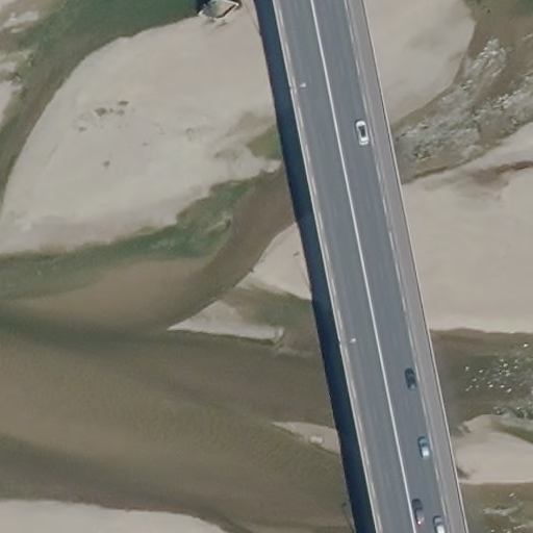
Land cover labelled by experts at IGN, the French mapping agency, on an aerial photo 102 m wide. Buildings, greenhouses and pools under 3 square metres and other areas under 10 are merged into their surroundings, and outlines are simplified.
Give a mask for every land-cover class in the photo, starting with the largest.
<instances>
[{"label":"water","instance_id":"1","mask_svg":"<svg viewBox=\"0 0 533 533\"><path fill-rule=\"evenodd\" d=\"M212 0H0V81H10L15 92L8 106L4 108V119L0 125V208L15 162L23 152V146L27 144V137L31 135L35 123L40 121L42 112L54 98V94L65 85L71 73L81 65V60H85L92 52L104 48L115 40L133 37L146 29L179 23L202 12V8L208 6ZM464 4L471 8L475 31L466 48V54L460 60L456 77L452 79L450 87L437 94L427 106L398 121L394 125L396 152L400 156L402 177L408 181L443 173L458 164L481 158L489 150L502 146L506 137L514 135L521 127L533 123V0H464ZM248 150L254 156L283 160V167L273 173H260L252 179H229L210 185V194L185 206L177 214L175 225L162 229L146 225L133 237L117 239L110 244H85L75 248L73 252H67L65 248H44L42 252L0 254V502L54 500L67 504H90L110 510L171 512L206 521L210 525L221 527L227 533H375L331 302L323 304L321 289L314 291L308 300L287 291L267 289L260 285H256L254 289H242L237 285L262 260L267 248L271 246L277 233L296 225L298 214L312 210L306 169L300 150V135L291 104L285 106V115H279L277 123L271 129L248 142ZM214 302L235 306L237 314L248 325L281 327L283 335L277 339H256L225 333L171 331V325L196 316L200 310ZM277 421L335 427L341 448L337 452H331L319 443L304 441L300 435L291 431L277 429ZM433 341L439 360L452 435L468 433L466 421L485 414L491 421L493 431L533 443V333H487L462 327H439L433 331ZM471 533H533V483L464 481V491Z\"/></svg>","mask_w":533,"mask_h":533},{"label":"bare soil","instance_id":"2","mask_svg":"<svg viewBox=\"0 0 533 533\"><path fill-rule=\"evenodd\" d=\"M291 104L273 0H242V8L233 10L227 17L214 19L202 12L179 23L146 29L133 37L115 40L104 48L92 52L85 60H81V65L71 73L65 85L54 94V98L42 112L40 121L35 123L31 135L27 137V144L23 146V152L15 162L0 208V254L42 252L44 248H65L67 252H73L75 248L85 244H110L117 239L133 237L146 225L162 229L175 225L177 214L185 206L210 194V185L229 179H252L260 173H273L283 167V160L254 156L248 150V142L271 129L277 123L279 115H285V106ZM381 77V92L387 94L389 100L396 104L398 121L427 106L437 94L450 87L452 79L456 77L460 60L466 54V48L475 31L471 8L464 4V0H366ZM15 92L10 81H0V125L4 119V108L8 106ZM402 194L416 256L427 321L439 327H462L487 333H533V123L521 127L514 135L506 137L502 146L489 150L481 158L458 164L443 173L408 181L406 185H402ZM237 285L242 289H254L256 285H260L267 289L287 291L308 300L314 291L321 289L323 304L331 302L312 210L298 214L296 225L277 233L271 246L267 248L262 260ZM171 331L225 333L256 339H277L283 335L281 327L248 325L237 314L235 306L214 302L200 310L196 316L171 325ZM468 433L452 435L450 443L454 462L450 464L452 481L448 487L456 493L464 491V481L533 483V443L493 431L491 421L485 414L466 421ZM277 429L291 431L300 435L304 441L319 443L331 452H337L341 448L335 427L277 421ZM0 533H227L221 527L210 525L206 521L171 512L110 510L90 504H67L54 500L0 502Z\"/></svg>","mask_w":533,"mask_h":533},{"label":"impervious surface","instance_id":"3","mask_svg":"<svg viewBox=\"0 0 533 533\"><path fill-rule=\"evenodd\" d=\"M242 8V0H212L208 6L202 8V12L214 19L227 17L233 10ZM291 104L300 135V150L306 169L312 210L331 302L375 533H471L464 491L456 493L448 487L452 481L450 464L454 462L450 443L452 435L439 360L433 341V331L439 327L427 321L416 256L402 194V185H406L408 181L402 177L400 156L396 152L394 125L398 121L396 104L389 100L387 94L381 92V77L366 0H273Z\"/></svg>","mask_w":533,"mask_h":533}]
</instances>
